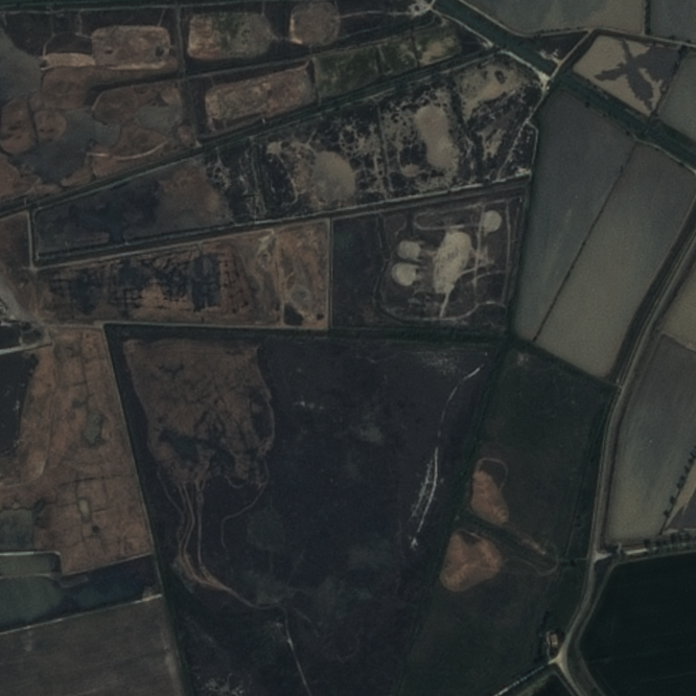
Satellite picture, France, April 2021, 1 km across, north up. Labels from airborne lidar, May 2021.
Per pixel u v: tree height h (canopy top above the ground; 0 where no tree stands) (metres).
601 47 0
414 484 0
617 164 0
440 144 0
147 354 0
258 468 0
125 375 0
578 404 0
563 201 0
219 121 0
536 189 0
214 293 0
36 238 0
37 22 0
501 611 0
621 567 0
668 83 0
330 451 0
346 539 0
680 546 14
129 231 0
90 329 0
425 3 0
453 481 0
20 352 0
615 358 0
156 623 0
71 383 0
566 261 0
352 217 0
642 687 0
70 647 0
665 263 0
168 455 0
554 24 0
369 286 0
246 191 0
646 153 0
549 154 0
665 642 0
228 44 0
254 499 0
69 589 0
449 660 0
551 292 0
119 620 0
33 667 0
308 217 0
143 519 0
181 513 0
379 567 0
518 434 0
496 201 0
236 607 0
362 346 0
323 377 0
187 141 0
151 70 0
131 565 0
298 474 0
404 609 0
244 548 0
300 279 0
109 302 0
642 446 0
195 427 0
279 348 0
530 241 0
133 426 0
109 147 0
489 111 0
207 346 0
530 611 0
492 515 0
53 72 0
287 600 0
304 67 0
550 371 0
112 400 0
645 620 0
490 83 0
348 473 0
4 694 0
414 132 0
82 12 0
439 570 0
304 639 0
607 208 0
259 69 0
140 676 0
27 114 0
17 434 0
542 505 0
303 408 0
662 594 0
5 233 0
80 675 0
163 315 0
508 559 0
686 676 0
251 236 0
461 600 0
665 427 0
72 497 0
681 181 0
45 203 0
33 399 0
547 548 0
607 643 0
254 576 0
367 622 0
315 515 0
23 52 0
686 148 0
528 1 0
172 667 0
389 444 0
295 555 0
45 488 0
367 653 0
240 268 0
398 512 0
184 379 0
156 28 0
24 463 0
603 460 0
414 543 0
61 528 0
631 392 0
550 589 0
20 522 0
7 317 0
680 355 0
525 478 0
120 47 0
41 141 0
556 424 0
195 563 0
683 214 0
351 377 0
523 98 0
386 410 0
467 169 0
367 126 0
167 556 0
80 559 0
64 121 0
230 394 0
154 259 0
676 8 0
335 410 0
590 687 0
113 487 0
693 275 0
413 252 0
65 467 0
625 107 0
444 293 0
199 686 0
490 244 0
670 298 0
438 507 0
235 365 0
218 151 0
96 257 0
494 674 0
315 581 0
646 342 0
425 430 0
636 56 0
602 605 0
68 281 0
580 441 0
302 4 0
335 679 0
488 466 0
